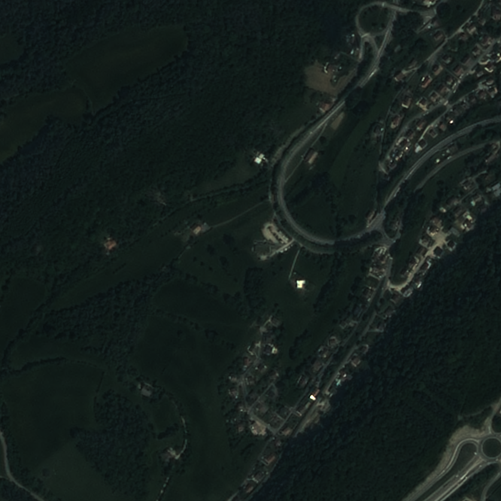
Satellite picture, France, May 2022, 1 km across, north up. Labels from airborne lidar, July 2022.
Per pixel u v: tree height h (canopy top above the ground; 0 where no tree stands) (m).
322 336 0
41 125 0
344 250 21
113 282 0
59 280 18
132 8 27
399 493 11
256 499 9
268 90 18
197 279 16
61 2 29
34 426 0
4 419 11
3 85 20
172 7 18
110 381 0
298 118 0
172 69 13
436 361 21
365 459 18
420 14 12
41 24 26
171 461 8
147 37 0
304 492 24
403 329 18
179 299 0
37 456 0
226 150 19
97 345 0
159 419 0
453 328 26
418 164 0
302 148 0
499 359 22
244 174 0
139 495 22
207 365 0
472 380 8
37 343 0
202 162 20
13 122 0
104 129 20
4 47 0
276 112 18
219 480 0
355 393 19
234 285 0
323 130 0
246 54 18
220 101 12
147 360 0
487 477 7
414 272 0
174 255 0
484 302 27
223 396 8
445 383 19
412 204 22
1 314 0
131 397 0
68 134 25
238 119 17
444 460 0
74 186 11
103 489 0
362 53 0
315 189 17
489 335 23
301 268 0
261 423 0
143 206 26
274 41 27
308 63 24
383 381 13
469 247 20
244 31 17
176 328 0
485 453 0
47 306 9
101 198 18
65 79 20
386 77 6
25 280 0
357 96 23
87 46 18
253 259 0
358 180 0
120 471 24
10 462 10
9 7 27
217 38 28
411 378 20
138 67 0
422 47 24
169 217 7
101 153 6
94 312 13
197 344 0
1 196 21
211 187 0
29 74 19
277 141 7
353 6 24
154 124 6
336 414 8
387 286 0
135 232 17
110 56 0
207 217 0
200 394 0
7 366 16
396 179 12
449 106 0
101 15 32
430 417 7
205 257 0
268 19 20
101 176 15
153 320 0
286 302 0
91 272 16
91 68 0
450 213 7
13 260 22
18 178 26
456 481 0
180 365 0
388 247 0
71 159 5
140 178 20
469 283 16
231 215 0
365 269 15
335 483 20
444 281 29
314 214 0
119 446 28
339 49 6
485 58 0
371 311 0
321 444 26
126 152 13
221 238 0
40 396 0
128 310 10
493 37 7
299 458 26
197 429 0
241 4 25
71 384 0
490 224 28
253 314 20
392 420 18
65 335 17
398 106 12
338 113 0
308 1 20
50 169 29
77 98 0
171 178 24
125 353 18
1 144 0
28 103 0
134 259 0
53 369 0
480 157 10
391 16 0
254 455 0
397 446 18
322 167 0
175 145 17
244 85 13
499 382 10
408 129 0
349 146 0
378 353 19
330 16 22
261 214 0
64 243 18
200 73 14
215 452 0
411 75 0
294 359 17
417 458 21
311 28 19
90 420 0
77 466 0
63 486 0
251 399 12
